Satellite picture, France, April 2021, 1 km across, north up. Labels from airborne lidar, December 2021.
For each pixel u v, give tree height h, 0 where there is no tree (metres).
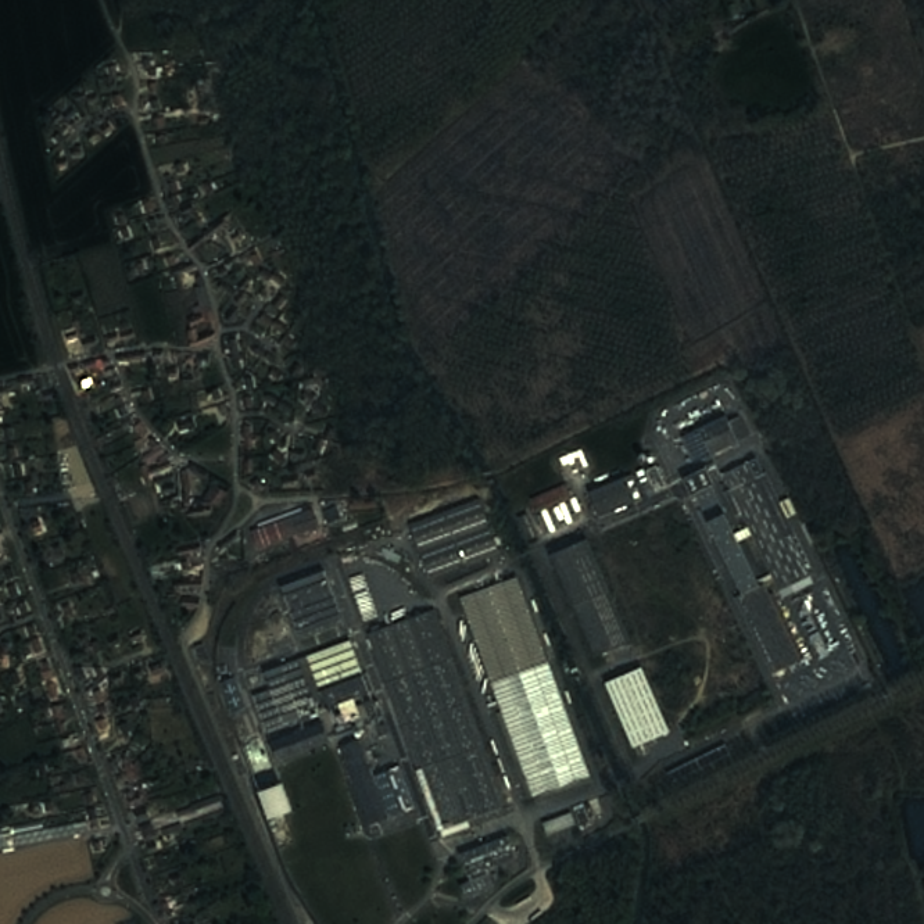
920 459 0
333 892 0
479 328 21
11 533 0
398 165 0
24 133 0
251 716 0
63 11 0
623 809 34
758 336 0
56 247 0
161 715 0
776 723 0
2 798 0
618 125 20
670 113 29
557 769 0
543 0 22
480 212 0
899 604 8
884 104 0
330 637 0
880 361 7
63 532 6
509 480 0
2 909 0
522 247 0
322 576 0
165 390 0
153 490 0
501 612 0
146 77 0
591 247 12
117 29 0
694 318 0
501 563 0
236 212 0
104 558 0
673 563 0
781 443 17
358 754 0
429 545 0
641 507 0
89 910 0
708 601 0
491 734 0
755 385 25
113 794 0
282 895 0
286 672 0
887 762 6
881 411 18
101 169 0
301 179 20
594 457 0
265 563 0
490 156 0
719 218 0
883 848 19
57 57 0
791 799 20
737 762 34
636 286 9
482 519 0
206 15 33
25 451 8
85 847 0
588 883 27
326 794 0
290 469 8
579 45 8
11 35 0
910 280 12
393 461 14
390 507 0
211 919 0
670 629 0
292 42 23
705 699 0
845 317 10
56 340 0
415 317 0
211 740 0
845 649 0
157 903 7
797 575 0
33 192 0
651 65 32
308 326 8
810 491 19
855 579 0
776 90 0
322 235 22
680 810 33
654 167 13
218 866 11
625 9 19
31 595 0
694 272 0
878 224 16
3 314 0
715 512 0
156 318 0
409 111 7
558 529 0
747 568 0
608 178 0
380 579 0
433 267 0
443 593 0
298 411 0
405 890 0
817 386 15
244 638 0
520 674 0
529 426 25
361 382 7
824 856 20
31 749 0
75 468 0
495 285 0
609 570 0
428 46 18
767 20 0
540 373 22
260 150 16
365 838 0
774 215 14
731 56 0
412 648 0
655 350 16
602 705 0
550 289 19
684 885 11
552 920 6
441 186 0
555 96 0
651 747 0
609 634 0
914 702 32
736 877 28
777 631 0
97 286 0
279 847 0
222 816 8
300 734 0
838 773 6
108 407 0
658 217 0
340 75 10
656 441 0
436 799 0
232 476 0
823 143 8
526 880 0
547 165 0
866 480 0
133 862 0
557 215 0
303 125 7
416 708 0
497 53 28
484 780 0
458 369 22
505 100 0
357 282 12
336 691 0
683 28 23
